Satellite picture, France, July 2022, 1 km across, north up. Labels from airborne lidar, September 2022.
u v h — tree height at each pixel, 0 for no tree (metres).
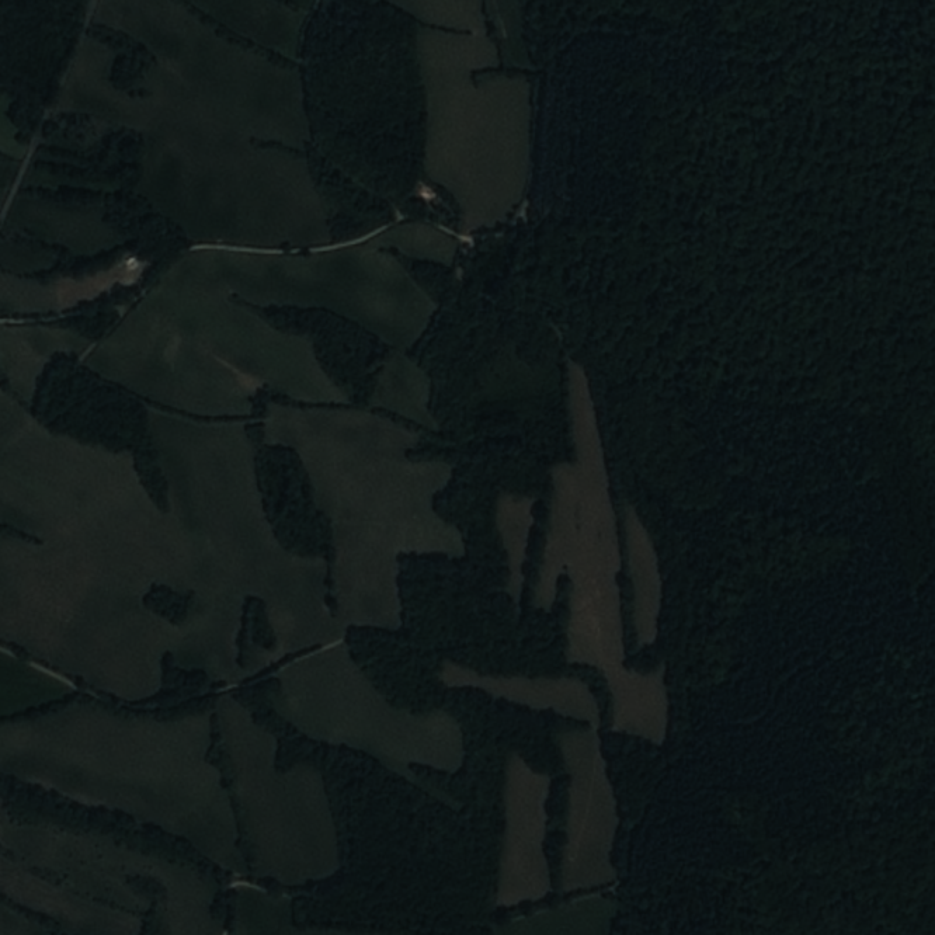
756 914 14
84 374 14
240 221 0
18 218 0
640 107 17
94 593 0
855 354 18
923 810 19
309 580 0
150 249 16
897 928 14
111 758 0
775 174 15
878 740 14
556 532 0
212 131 0
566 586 17
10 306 0
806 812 21
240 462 0
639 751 15
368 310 0
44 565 0
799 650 13
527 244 19
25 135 8
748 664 18
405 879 18
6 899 6
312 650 6
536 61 21
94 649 0
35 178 0
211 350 0
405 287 0
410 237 0
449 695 15
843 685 15
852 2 17
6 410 0
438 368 13
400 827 19
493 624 18
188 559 0
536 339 14
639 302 22
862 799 17
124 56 12
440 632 18
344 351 7
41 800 14
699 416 16
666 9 15
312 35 17
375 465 0
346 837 8
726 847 18
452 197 12
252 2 0
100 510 0
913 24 19
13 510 0
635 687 0
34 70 11
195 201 0
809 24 18
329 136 16
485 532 17
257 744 0
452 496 17
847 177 20
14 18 18
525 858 0
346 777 10
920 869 17
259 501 0
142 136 13
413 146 10
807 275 8
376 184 15
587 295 19
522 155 0
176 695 15
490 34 8
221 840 0
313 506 19
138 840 6
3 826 0
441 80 0
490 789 11
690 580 19
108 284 0
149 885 6
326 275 0
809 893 17
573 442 7
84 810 14
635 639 10
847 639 12
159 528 0
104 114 0
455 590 19
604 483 0
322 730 0
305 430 0
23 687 0
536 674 16
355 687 0
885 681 13
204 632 0
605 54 20
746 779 18
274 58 12
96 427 18
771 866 19
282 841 0
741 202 14
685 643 15
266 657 0
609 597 0
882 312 18
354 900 14
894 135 18
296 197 0
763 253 15
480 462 15
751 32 12
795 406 16
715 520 12
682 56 20
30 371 0
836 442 15
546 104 19
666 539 18
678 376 21
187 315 0
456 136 0
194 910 0
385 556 0
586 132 20
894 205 14
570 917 0
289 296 0
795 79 14
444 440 11
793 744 20
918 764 13
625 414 17
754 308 17
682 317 19
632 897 14
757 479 19
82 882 0
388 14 17
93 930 0
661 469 22
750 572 10
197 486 0
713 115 18
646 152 17
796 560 15
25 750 0
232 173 0
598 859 0
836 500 14
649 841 21
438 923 19
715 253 16
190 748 0
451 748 0
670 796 20
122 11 0
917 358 16
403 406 0
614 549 0
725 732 21
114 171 19
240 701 9
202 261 0
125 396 11
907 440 12
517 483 15
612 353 18
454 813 12
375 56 15
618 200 18
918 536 14
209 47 0
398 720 0
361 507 0
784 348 16
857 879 16
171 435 0
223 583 0
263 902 0
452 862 18
